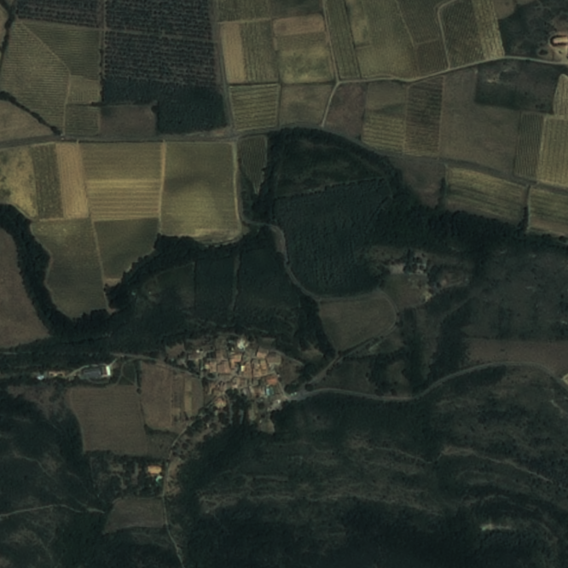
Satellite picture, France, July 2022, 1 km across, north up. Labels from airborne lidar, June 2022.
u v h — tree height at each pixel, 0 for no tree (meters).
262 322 10
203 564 8
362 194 8
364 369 0
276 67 0
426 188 0
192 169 0
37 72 0
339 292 8
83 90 0
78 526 6
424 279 0
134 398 0
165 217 0
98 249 0
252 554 7
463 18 0
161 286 0
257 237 7
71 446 10
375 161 11
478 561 7
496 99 0
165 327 10
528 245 8
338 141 10
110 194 0
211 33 8
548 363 0
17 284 0
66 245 0
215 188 0
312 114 0
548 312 0
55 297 0
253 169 0
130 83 10
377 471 0
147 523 0
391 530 8
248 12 0
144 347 6
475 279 5
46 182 0
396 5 0
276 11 0
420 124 0
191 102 11
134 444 0
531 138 0
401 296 0
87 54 0
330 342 10
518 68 0
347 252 9
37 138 0
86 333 16
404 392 0
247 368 0
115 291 13
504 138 0
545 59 0
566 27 0
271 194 9
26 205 0
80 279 0
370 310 0
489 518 9
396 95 0
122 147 0
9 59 0
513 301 0
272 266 10
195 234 0
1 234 0
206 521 8
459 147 0
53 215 0
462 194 0
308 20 0
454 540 8
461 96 0
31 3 10
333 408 8
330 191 11
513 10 0
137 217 0
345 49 0
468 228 24
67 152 0
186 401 0
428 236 7
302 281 8
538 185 0
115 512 0
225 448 8
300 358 7
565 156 0
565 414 0
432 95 0
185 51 9
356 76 0
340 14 0
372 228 7
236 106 0
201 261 10
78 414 0
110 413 0
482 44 0
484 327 0
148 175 0
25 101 0
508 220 0
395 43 0
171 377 0
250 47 0
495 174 0
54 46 0
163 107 8
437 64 0
